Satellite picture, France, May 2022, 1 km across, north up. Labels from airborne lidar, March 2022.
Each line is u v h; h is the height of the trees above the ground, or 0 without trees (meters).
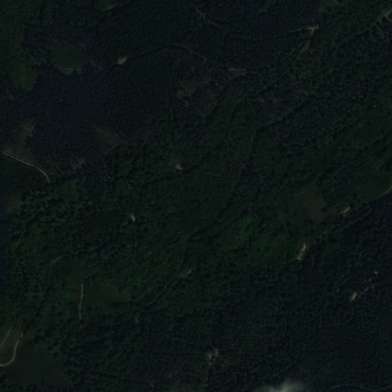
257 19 26
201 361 12
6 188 7
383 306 21
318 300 27
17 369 0
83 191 27
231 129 16
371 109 23
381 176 9
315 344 21
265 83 20
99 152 30
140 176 34
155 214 32
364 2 17
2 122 29
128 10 19
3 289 14
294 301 14
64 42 29
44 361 0
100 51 26
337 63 17
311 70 6
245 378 30
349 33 8
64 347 28
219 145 18
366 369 16
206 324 33
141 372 30
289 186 18
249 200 19
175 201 28
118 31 18
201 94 30
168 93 18
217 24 25
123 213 24
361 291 27
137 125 21
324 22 13
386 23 25
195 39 24
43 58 29
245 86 20
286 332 34
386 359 20
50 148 24
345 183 30
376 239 28
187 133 25
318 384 24
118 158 24
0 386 8
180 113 23
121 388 21
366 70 26
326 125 10
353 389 18
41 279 18
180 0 15
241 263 12
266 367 37
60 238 9
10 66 6
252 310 21
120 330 21
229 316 32
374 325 21
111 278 23
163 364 24
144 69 20
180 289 23
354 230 26
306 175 19
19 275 25
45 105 32
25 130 0
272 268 22
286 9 22
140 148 6
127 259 28
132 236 30
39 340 25
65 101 29
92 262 26
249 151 10
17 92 26
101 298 0
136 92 20
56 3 24
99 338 23
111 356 31
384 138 10
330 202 25
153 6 16
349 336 20
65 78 29
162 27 19
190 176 26
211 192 24
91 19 31
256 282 30
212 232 21
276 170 20
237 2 32
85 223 25
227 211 29
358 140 24
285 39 20
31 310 17
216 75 24
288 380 28
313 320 29
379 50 31
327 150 9
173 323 30
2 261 20
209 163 30
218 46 29
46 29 26
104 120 25
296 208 0
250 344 24
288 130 19
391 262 25
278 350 37
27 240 34
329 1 0
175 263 18
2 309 22
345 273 20
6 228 25
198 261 12
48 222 24
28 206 17
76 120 29
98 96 24
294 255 8
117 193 23
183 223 23
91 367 19
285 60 14
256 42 21
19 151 0
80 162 0
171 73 19
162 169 27
